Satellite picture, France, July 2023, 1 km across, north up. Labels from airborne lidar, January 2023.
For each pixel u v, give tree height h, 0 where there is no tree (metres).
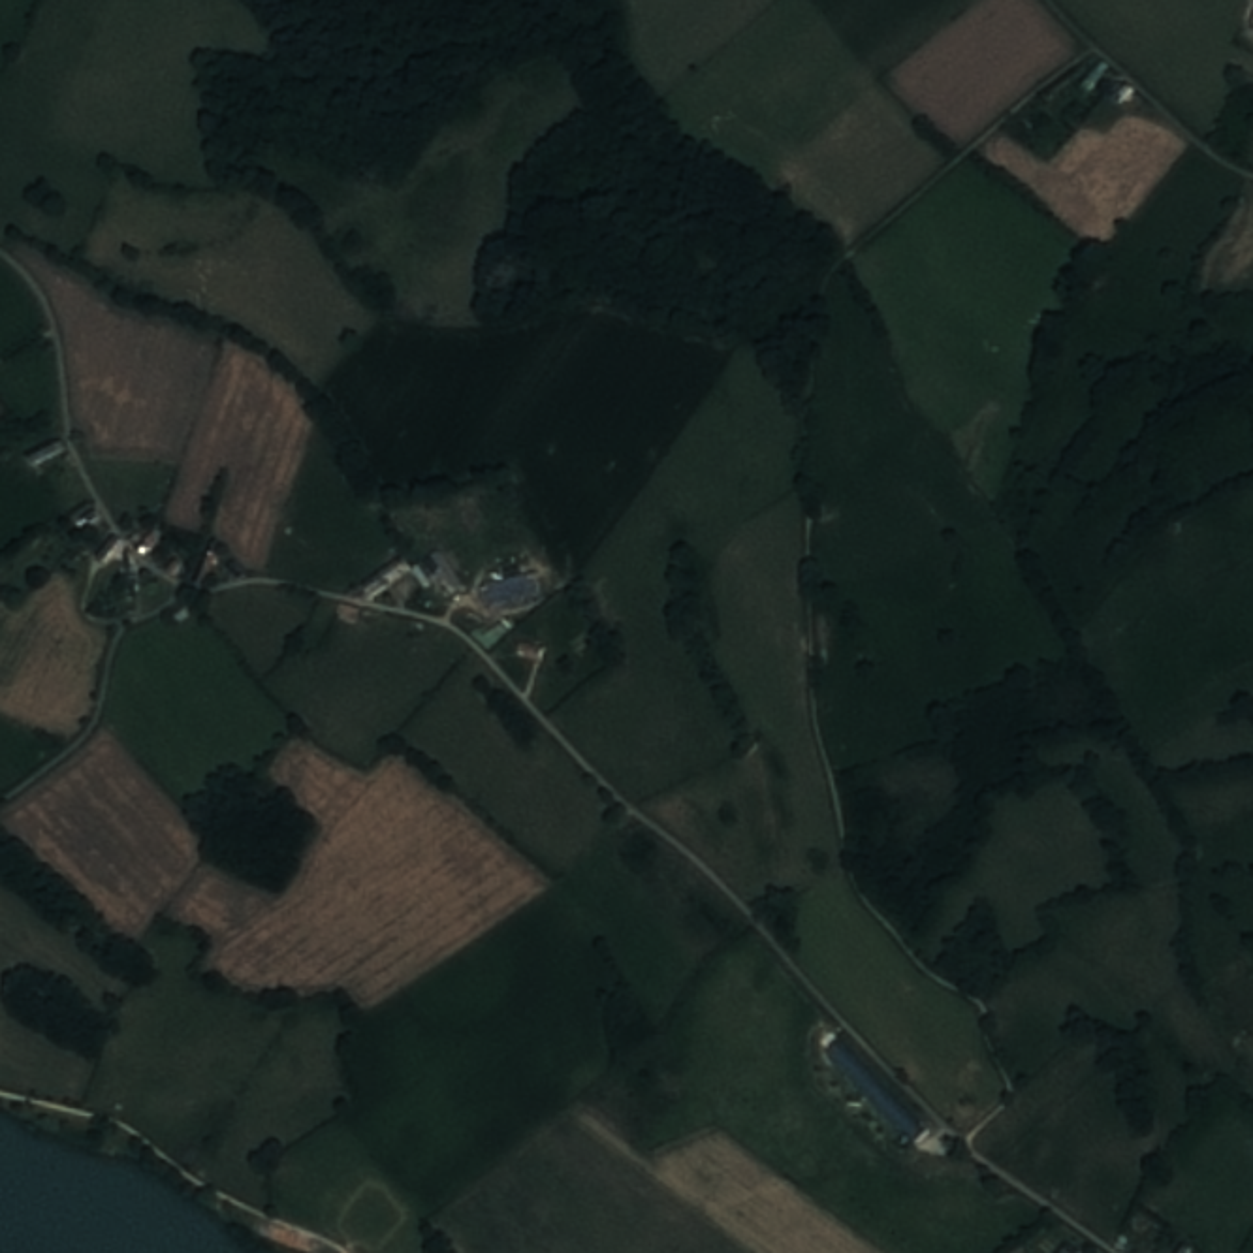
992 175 13
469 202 0
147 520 10
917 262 0
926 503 0
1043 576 10
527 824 0
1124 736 16
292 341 0
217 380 0
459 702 0
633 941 0
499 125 0
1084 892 14
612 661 13
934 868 7
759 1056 0
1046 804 0
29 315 0
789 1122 0
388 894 0
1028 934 0
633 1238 0
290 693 0
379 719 0
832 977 0
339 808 0
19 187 0
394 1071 0
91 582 0
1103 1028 11
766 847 0
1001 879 0
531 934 0
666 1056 0
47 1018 19
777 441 0
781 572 0
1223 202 8
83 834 0
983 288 0
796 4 0
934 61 0
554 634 0
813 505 16
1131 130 0
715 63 0
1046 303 0
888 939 0
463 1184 0
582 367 0
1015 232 0
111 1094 0
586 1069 0
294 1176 0
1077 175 0
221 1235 0
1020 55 0
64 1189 0
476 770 0
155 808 0
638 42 0
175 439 0
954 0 0
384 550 0
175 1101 0
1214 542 0
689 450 0
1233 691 0
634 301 18
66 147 0
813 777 0
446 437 0
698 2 0
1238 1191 0
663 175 19
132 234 0
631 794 0
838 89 0
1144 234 0
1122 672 0
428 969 0
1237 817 0
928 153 0
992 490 0
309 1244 0
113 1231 0
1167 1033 0
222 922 0
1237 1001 0
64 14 0
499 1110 0
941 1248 0
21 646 0
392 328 0
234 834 17
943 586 0
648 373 0
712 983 0
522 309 18
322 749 0
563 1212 0
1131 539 12
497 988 0
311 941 0
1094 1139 0
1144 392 0
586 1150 0
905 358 0
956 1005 0
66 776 0
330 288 0
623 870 0
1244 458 0
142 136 0
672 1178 0
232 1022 0
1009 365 0
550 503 0
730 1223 0
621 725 0
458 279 0
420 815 0
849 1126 0
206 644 0
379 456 0
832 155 0
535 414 0
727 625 0
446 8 13
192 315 17
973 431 0
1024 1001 0
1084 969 0
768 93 0
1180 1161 0
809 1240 0
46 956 0
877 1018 0
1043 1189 0
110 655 0
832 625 0
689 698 0
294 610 0
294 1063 0
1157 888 0
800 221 17
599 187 7
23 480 0
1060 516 0
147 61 0
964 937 7
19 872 17
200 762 0
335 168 18
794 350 23
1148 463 16
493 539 0
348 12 21
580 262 10
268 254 0
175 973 0
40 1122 8
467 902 0
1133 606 0
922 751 7
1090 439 7
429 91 25
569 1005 0
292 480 0
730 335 19
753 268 14
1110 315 0
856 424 0
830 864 0
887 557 0
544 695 0
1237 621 0
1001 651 0
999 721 8
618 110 17
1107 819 21
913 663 0
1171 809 11
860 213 0
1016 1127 0
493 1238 0
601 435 0
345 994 9
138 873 0
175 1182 6
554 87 0
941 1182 0
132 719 0
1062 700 0
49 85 0
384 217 0
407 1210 0
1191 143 0
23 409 0
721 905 0
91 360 0
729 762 0
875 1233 0
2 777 0
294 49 26
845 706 0
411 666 0
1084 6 0
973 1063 0
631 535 0
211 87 10
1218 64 0
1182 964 8
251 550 0
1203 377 8
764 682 0
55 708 0
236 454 0
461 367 0
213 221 0
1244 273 0
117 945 18
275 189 25
